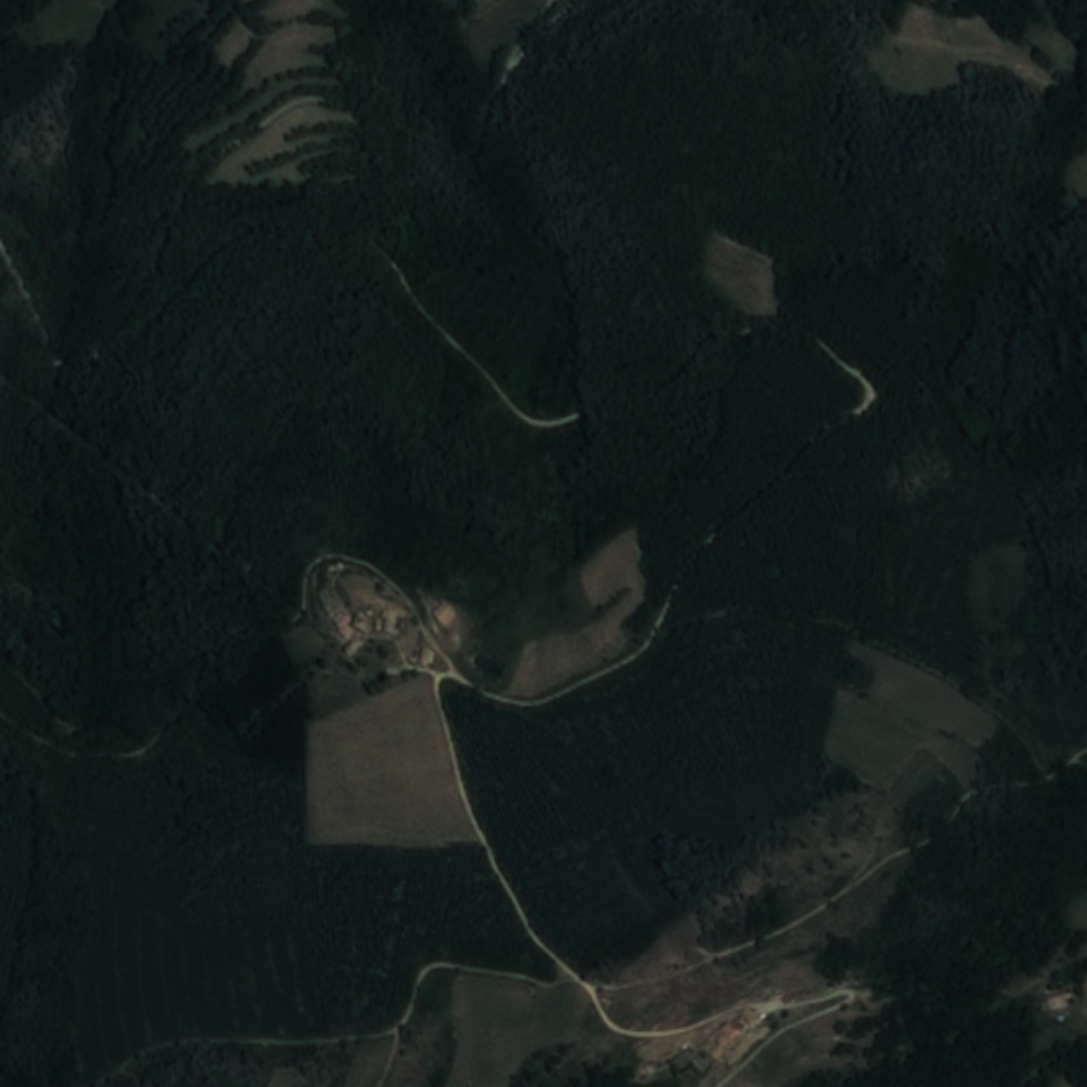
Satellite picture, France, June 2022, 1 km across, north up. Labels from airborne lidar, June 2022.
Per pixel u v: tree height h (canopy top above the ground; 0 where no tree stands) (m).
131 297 20
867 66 19
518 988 0
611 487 20
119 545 6
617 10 18
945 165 27
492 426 6
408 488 10
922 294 11
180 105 9
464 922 6
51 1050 18
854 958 9
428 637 0
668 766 7
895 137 16
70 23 0
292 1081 0
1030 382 30
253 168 10
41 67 20
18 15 13
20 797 17
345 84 14
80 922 19
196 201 15
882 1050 16
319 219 16
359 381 17
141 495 20
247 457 15
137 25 13
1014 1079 18
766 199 20
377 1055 0
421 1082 0
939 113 23
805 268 16
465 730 7
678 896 23
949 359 8
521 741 8
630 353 21
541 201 19
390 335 22
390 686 23
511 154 18
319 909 6
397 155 18
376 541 6
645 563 8
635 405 19
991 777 9
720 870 14
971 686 11
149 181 15
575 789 6
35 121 12
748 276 0
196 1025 0
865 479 9
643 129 15
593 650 0
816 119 24
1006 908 12
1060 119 24
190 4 0
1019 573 0
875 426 11
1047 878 9
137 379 19
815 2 16
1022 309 6
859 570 9
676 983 0
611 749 6
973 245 10
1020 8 14
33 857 9
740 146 19
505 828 7
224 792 9
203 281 18
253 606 16
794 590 9
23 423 21
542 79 14
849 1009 9
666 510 9
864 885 0
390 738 0
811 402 10
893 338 13
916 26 0
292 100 6
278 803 6
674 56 18
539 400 7
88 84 15
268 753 11
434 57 25
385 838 0
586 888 6
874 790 10
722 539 9
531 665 0
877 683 0
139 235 15
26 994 17
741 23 19
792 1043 0
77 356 23
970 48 0
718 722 7
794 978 0
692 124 18
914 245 15
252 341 8
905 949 11
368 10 10
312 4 0
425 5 17
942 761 0
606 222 16
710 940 8
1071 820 9
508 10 0
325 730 0
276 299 17
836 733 0
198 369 18
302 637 0
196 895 8
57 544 7
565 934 8
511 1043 0
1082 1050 16
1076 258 18
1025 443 7
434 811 0
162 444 14
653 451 16
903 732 0
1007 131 19
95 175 25
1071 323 9
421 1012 0
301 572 7
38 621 9
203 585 20
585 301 18
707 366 16
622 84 15
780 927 9
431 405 24
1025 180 15
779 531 11
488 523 19
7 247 9
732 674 7
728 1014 0
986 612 0
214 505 16
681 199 16
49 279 12
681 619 10
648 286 19
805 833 0
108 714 8
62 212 11
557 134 19
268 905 7
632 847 6
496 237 25
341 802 0
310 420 11
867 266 23
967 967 12
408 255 11
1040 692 0
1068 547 19
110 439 21
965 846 15
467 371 12
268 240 19
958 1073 19
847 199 20
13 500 26
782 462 10
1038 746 0
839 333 11
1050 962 12
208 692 8
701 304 18
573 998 0
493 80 13
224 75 12
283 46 0
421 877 7
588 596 0
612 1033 0
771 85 23
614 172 20
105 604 10
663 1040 0
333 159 14
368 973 6
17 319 8
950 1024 17
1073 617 6
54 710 19
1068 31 22
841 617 6
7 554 25
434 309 6
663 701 7
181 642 15
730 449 11
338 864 8
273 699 11
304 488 8
